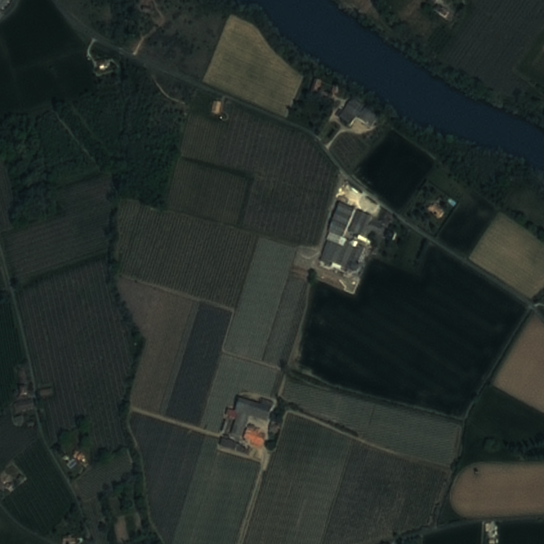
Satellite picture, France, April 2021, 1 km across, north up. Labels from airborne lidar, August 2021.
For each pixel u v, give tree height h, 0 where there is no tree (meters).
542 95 0
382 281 0
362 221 0
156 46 8
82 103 8
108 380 7
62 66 0
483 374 0
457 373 0
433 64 21
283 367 18
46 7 0
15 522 0
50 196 28
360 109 0
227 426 0
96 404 7
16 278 6
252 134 5
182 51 0
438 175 0
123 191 34
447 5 0
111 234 21
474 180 14
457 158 16
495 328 0
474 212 0
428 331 0
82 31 0
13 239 6
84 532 7
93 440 8
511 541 0
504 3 8
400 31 25
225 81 0
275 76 0
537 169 11
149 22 8
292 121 0
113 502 0
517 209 0
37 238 8
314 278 13
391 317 0
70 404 8
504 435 0
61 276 7
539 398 0
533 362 0
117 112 9
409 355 0
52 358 7
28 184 21
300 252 0
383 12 27
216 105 0
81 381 7
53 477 5
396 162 0
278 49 17
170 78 0
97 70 8
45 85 0
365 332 0
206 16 0
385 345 0
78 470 0
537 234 12
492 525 0
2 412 6
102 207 5
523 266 0
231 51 0
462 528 0
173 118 8
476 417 0
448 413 0
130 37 25
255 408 0
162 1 10
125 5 18
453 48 7
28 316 6
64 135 13
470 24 7
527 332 0
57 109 20
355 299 0
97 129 11
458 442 0
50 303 6
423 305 0
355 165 0
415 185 0
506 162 10
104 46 0
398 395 0
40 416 6
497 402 0
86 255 5
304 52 7
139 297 0
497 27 8
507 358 0
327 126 16
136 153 12
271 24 32
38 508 6
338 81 8
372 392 0
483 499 0
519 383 0
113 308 8
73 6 0
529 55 0
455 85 17
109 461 15
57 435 7
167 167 15
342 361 0
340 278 0
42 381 6
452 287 0
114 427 8
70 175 11
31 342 6
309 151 5
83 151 13
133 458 12
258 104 0
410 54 25
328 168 6
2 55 0
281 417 10
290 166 6
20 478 8
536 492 0
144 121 8
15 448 7
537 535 0
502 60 6
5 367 6
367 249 0
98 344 7
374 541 0
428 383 0
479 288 0
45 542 0
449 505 0
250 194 6
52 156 13
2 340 6
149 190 13
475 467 0
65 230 7
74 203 6
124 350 7
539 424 0
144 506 15
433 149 7
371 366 0
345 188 0
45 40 0
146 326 0
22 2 0
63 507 6
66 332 8
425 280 0
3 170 6
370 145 0
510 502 0
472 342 0
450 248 0
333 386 0
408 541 11
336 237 0
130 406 8
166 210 27
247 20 20
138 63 0
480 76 7
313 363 0
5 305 8
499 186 19
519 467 0
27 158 11
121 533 0
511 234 0
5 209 5
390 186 0
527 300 0
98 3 6
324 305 0
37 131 10
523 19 9
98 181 6
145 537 11
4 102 0
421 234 0
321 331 0
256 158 5
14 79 0
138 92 13
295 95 0
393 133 0
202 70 0
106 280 8
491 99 19
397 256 7
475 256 0
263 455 0
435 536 0
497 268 0
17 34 0
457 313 0
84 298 7
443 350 0
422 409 0
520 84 7
